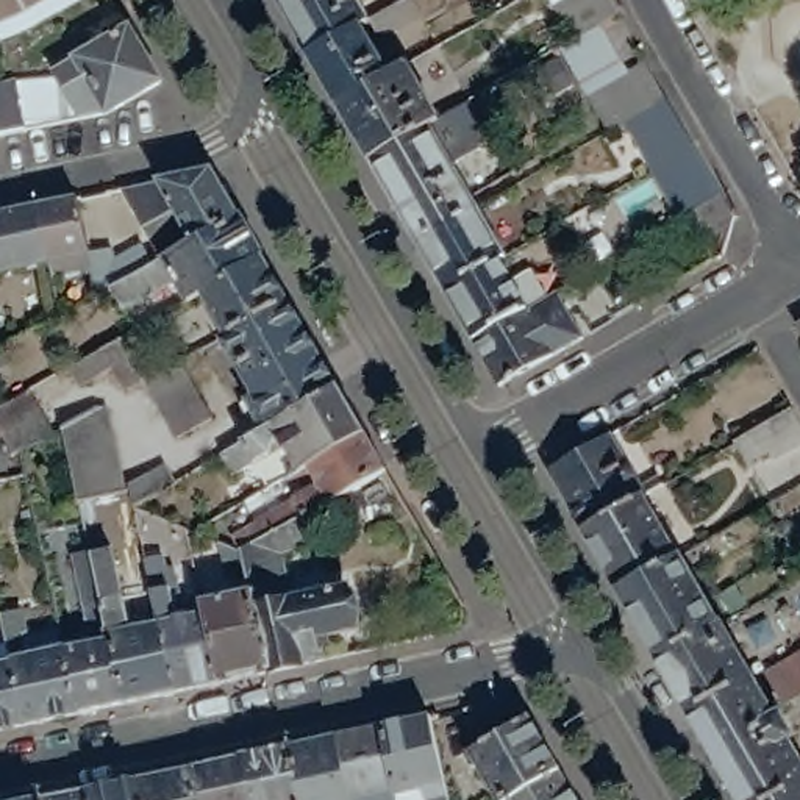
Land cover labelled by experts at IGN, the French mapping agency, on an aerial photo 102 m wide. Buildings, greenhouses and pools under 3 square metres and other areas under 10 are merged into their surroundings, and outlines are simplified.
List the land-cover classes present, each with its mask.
<instances>
[{"label":"impervious surface","instance_id":"1","mask_svg":"<svg viewBox=\"0 0 800 800\"><path fill-rule=\"evenodd\" d=\"M625 9V22L600 19L597 28L609 34L613 47L625 56L628 69L641 63L650 66V78L659 88V100L650 109L638 113L628 122V134H622L619 141H613V153L619 159L616 169L569 172L553 178L544 181V194L550 197L563 188L591 184H606L631 172V159H638V153L647 156L650 181H656L663 197H650L641 209L628 213L622 203L613 200L597 213H575L569 225L547 244L534 241L519 250H506V241L513 238V231L522 228V219L525 209L506 206V197L478 206V216L491 231V247H497V259L516 275L534 272L538 284L547 291L556 278V256H572L584 244H594V253L606 259L613 244L619 250H628L634 247L638 231L669 225V219L681 209H694L709 197H722L725 209L738 216L731 250L722 247L716 256H706L700 266L678 275L681 288L669 294V300L644 297L638 303H628L625 297H613L619 291V275H613L606 288H594L588 297L572 294L563 300L578 331L544 353L547 366L513 381L509 388H500V378L484 369L488 356H469V350L463 347L456 331L459 313L453 306L450 288L441 284V272L434 269L425 278L413 275V281L400 291L388 288L378 278V259L384 253L400 250L413 259L416 241L391 216V197L375 175V159H369L359 147L353 150V181L334 191L328 184H316L313 166L300 141L288 134V128L275 119L272 100L266 94L272 72L247 56L244 44L250 31L266 25L275 28L284 47V66L291 72L303 69L309 88L322 97V128L331 138L350 134L338 103L322 91V81L309 59L306 38H291L294 28L281 16V9L275 6L272 13H266L263 0H125V16L134 19L144 38L150 34V22L156 16L169 9L181 16L188 28L184 56H153L150 78H163V88L150 94L147 109L125 106L122 113L100 122L53 125L44 134L0 141V206L28 200L31 191L75 194V206L84 216V228L94 234V241H88L91 250L125 253L134 247L138 238L153 241L159 250H166L175 241H181L178 222H166L150 238L122 188L150 181L166 169L200 166L206 163V156H213L244 203L241 231L263 241L269 250L288 228L313 244V263L306 269H281L291 297L303 306L306 316L313 313L309 294L331 281V275L341 278L350 316H338V325L331 328H325L322 322L313 325L325 341V353L334 363V372L341 375L344 388L366 413V425L378 422L384 400H400L413 413V428L394 441L397 459L381 466V478L388 494L406 491L419 513L431 509V522L438 525L450 513L472 522V538L456 550L441 556L450 578V591L456 594L466 616L463 634H422L409 641L369 647V656L316 666L297 675L272 678L269 691H263L256 678L231 688H203L175 700L109 709L100 719L84 722L81 731L47 728L38 741L31 734H19L6 744V750H0V797L69 788L78 784L81 769L97 766H106L109 775H131L159 766H181L225 750L275 744L281 738H303L316 731L384 722L403 713H425L428 744L441 747L447 800H497V791L481 781L475 763L463 750L478 734L509 722L528 706L516 691L519 684L541 672L566 675V709L556 719H541V728L547 734L544 766H556L559 775H569V794L575 800H681L659 788V769L653 753L666 747L681 753L684 763H691L700 772V784L684 800H725L722 788L709 772L706 750L697 741H688L684 734L691 728V713H684L681 703H672V694L659 669H641V659H634L638 675L625 678L622 684L606 681L594 666V644L606 641L613 631L622 628V616L609 613L606 622L588 631H575L563 622L569 591L588 584L594 588L597 572L584 559V547L591 538L578 534L575 513L563 488L550 478L547 466L575 450L578 444L597 441L603 434L616 438V447L628 456L634 472H656V488H650V500L659 506V513L669 519L675 531L678 553L672 559L684 563L688 569L694 563L691 550L700 547L694 528H706L728 516L744 494H763L772 506L775 500L800 488V444H791L766 463L747 466L744 450L734 444L716 463L697 469L694 478H709L722 503L709 516L694 522H688L678 509L675 494L666 484L663 463L650 456L641 444L628 441L622 431L625 425H631V419L650 413L653 403L663 406V400L681 397V378L700 372L719 356L738 350L741 344H753V350H769L781 375L778 394L788 400V406H800V0H784L778 16H756L747 22L744 31H731L716 28L703 13L688 16L684 0H613ZM194 69H209L222 81L219 106L200 113L184 109L181 78ZM428 303H434V313L444 319L441 344H422L416 338L419 309H425ZM453 363H472V369L481 372V394H472L466 403H450L444 391H438V369H450ZM419 453L434 456L441 466L438 488L428 497L409 484L403 469V459H413ZM513 469H528L534 478H541L544 513L538 519L503 516L506 506L500 500L497 478L509 475ZM559 528L572 541L575 563L572 569L550 575L538 559V538H547ZM491 566L506 578V606H491L478 594V572H488ZM581 728L597 741V750L584 766L569 763L563 756L566 738L578 734ZM472 19H463L425 38L403 47L400 59H416L419 84L428 100H438V113L469 106L475 103V97L466 84L503 47L500 38L484 41V53L469 59L441 50L438 44L466 31ZM466 172L456 178L469 191L497 169V156H491L484 147H475L459 156ZM38 306L34 269L16 263L0 266V325ZM178 331L191 344V353L216 341H225L228 331L213 328V316L206 313V306L181 313ZM203 394L209 400L213 419L194 425L188 438H181L169 431L166 419L159 416L147 391H122L109 372H100L94 384H75L72 378L59 375H53L34 388V397L50 416L53 431H59L69 419L106 400L119 444V459L125 466V481L156 472L163 463L172 469V481L194 475L206 463L222 456L250 428H256L247 416L250 400H244V384L231 391L222 378L209 381ZM247 481H263V491L241 503L250 516L238 525H228L225 531L219 534V544L244 547L284 522H297L300 506H306L319 494L313 481L300 491L288 484L306 475V466L300 463L284 469L281 447L272 453H259L241 472ZM150 500V494L131 503L119 494L78 500L81 513L69 519V525L47 528L44 534V553H56L59 581L72 588L66 553L109 547L116 559L113 569L119 578H125V591L131 597L128 616L150 619L153 606L141 597L144 581L138 575V556H156L163 550L166 556H172V575L184 581L172 594L169 609H194L200 594H216L222 588L241 584V566L216 556L219 544L191 547L188 528L147 513L144 506ZM719 606L728 613L731 622V631L738 634L744 628H756L781 616V609L769 600L750 606L741 584H734L725 594H719Z\"/></svg>","mask_w":800,"mask_h":800},{"label":"building","instance_id":"2","mask_svg":"<svg viewBox=\"0 0 800 800\"><path fill-rule=\"evenodd\" d=\"M78 0H0V38L22 34L38 22L75 6ZM266 13H272L275 6L281 9V16L294 28L291 38H306L309 59L322 81V91L338 103L350 134L359 147L369 159H375V175L391 197V216L416 241L413 259V275L425 278L434 269L441 272V284L450 288L453 306L459 313L456 331L463 347L469 350V356H488L484 369L500 378V388H509L513 381L547 366L544 353L578 331L563 300L550 297L547 291L538 284L534 272L516 275L497 259V247H491V231L478 216V206L469 197V191L456 178L466 172L459 156L475 147H484L481 131L475 128L469 106L438 113V100H428L419 84L416 59H400L403 47L425 38V19L416 16L419 0H263ZM550 6L563 16H569L581 34L578 44L569 47L566 56H550L541 69L547 78H553V88L544 94V103L553 109L566 94H584L594 103L597 125H619L622 134H628V122L638 113L650 109L659 100V88L650 78V66L641 63L628 69L625 56L613 47L609 34L597 28L600 19L625 22V9L613 0H550ZM50 78L9 81L0 75V141L44 134L53 125L100 122L122 113L125 106L147 109L150 94L163 88V78H150L153 56L144 38L134 19L125 16L116 28L97 31L75 50H69L63 59H53ZM150 238L166 222H178L181 241H175L166 250H159L153 241L138 238L134 247L125 253L91 250L88 241H94V234L84 228V216L75 206V194L31 191L28 200L0 206V266L16 263L34 269L47 266L50 272H63V278H81V291L97 294V300L100 306L128 303L131 309L159 303L175 294L181 297V313L206 306V313L213 316V328L228 331L225 341H216L191 353L178 369L144 381L134 372L122 341H116L84 356L78 363H66L59 375L72 378L75 384H94L100 372H109L122 391H147L159 416L166 419L169 431L181 438H188L194 425L213 419L209 400L203 394L209 381L222 378L231 391L244 384V400H250L247 416L256 428H250L222 456L225 466L241 472L259 453H272L281 447L284 469L300 463L306 466V475L288 484L300 491L313 481L319 494L306 506H300L297 522H284L244 547L219 544L216 556L241 566V584L222 588L216 594H200L194 609H169L172 594L184 581L172 575V556H166L163 550L156 556H138V575L144 581L141 597L153 606L150 619L128 616L131 597L125 591V578H119L113 569L116 559L109 547L66 553L72 588L66 594V606L72 613L38 619L34 606L16 603V609H0V750H6V744L19 734H31L38 741L47 728L81 731L84 722L100 719L109 709L175 700L203 688H231L256 678L263 691H269L272 678L297 675L316 666L313 653L319 647L338 644V638H363L366 616L359 581L347 584L341 572L325 584L253 597L250 572L256 566L281 575L291 563L288 550L300 541V528H306L328 503L347 506L353 500L350 494L381 478V466L397 459L394 441H381L378 422L366 425V413L344 388L341 375L334 372V363L325 353V341L313 325L306 316L303 306L291 297L281 269L275 266L269 250L263 241L241 231L244 203L213 156H206V163L200 166L166 169L150 181L122 188ZM697 222L722 238V247L731 250L738 216L725 209L722 197H709L694 209ZM53 431L50 416L34 397V388L25 397L0 403V469H9L16 463L22 444H31L34 438ZM66 438L63 450L72 478V500H78L119 494L131 503L150 494L166 491L172 481V469L163 463L156 472L125 481V466L119 459V444L106 400L69 419L59 431ZM734 444L744 450L747 466L766 463L791 444H800V406H788L784 413L741 434ZM550 478L563 488L575 513L578 534L591 538L584 547V559L597 572L594 588L600 591V600L609 606V613L622 616V628L634 647V659H641V669H659L672 694V703H681L684 713H691V728L684 734L688 741H697L706 750L709 772L722 788L725 800H800V653L778 666H763L759 675L753 672V656L744 650L738 634L731 631V622L725 625L716 613L706 609V581L688 569L684 563L672 559L678 553L675 531L669 519L659 513V506L650 500V488H656V472H634L628 456L616 447V438L603 434L597 441L578 444L575 450L547 466ZM541 719L528 706L509 722L478 734L463 750L475 763L481 781L497 791V800H575L569 794V775H559L556 766H544L547 734L541 728ZM0 800H447L441 747L428 744L425 713H403L384 722L316 731L303 738H281L275 744L225 750L181 766H159L131 775H109L106 766H97L81 769L78 784L69 788L0 797Z\"/></svg>","mask_w":800,"mask_h":800},{"label":"deciduous trees","instance_id":"3","mask_svg":"<svg viewBox=\"0 0 800 800\"><path fill-rule=\"evenodd\" d=\"M784 0H684L688 16L703 13L716 28L731 31H744L747 22L756 16H778ZM153 56H184L188 28L181 16L169 9L156 16L150 22V34L144 38ZM547 31L559 47H569L578 44L581 34L569 16H563L559 25H550ZM247 56L272 72L266 94L272 100L275 119L288 128V134L300 141L313 166L316 184H328L334 191L353 181V150L359 147L350 134L331 138L322 128V97L309 88L303 69L291 72L284 66V47L275 28L266 25L250 31L244 44ZM184 109L200 113L219 106L222 81L209 69H194L181 78ZM553 88V78H547L541 69L538 78L509 81L503 88L500 109L484 122L481 131L484 147L491 156H497V169H525V125L519 122L525 119V113H534L541 166L553 178L569 172L575 150L600 138L613 141H619L622 134L619 125H584L581 106H572L569 116H559L553 109L544 103V94ZM613 200V197L606 184H591L575 203H550L547 213H534L531 222L522 219V228L513 231V238L506 241V250H519L534 241L547 244L569 225L575 213H597ZM722 247V238L697 222L694 209H681L669 219V225L638 231L634 247L628 250H619L613 244L606 259L594 253V244H584L572 256H556V278L547 291L550 297L563 300L572 294L588 297L594 288H606L613 275H619V291L613 297H625L628 303H638L644 297L669 300V294L681 288L678 275L700 266L706 256H716ZM275 266L281 269H306L313 263V244L288 228L269 250ZM378 278L388 288L400 291L413 281V259L400 250L384 253L378 259ZM313 313L306 316L313 325L322 322L325 328H331L338 325V316H350L341 278L331 275V281L309 294ZM41 319L31 328L41 341L50 334H63V325L75 319V313L66 294L53 297L50 306H38ZM181 313V297L175 294L159 303L131 309L125 319L109 325L116 341H122L134 372L144 381L178 369L191 353V344L178 331ZM416 338L422 344H441L444 319L434 313V303H428L425 309H419ZM84 356L81 344L66 341L44 359V366L53 375H59L66 363H78ZM438 391H444L450 403H466L472 394H481V372L472 369V363H453L450 369H438ZM381 441H394L413 428V413L400 400H384L378 422ZM34 466H47L50 503L63 506L72 500V478L63 450L34 453ZM403 469L409 484L428 497L438 488L441 466L434 456L419 453L413 459H403ZM500 500L506 506L503 516L538 519L544 513L541 478H534L528 469H513L509 475L497 478ZM209 497L194 500L191 516L188 528L191 547L219 544V534L225 531L216 528V522L206 513ZM359 534H369L372 544H397L400 550L409 547L406 525L400 519H394L391 513H378L375 519H359V506L353 500L347 506L328 503L306 528H300V541L288 550L291 563L316 556L341 559ZM438 525L444 528L447 544L456 550L472 538V522L450 513ZM19 550H13L9 544L0 547V563L6 569H19L25 563L34 569L44 553V534H38V528L28 519H16ZM538 559L550 575L572 569L575 563L572 541L559 528L547 538H538ZM778 569L775 541L753 538V556L731 572L734 584H741L756 572ZM466 616L456 594L450 591V578L441 556H422L406 569H391L388 594L366 616L363 638L369 647L409 641L422 634H463ZM478 594L491 606H506V578L491 566L488 572H478ZM609 613V606L600 600V591L594 588L588 584L569 591L563 622L575 631H588L606 622ZM594 666L606 681L622 684L625 678L638 675L634 659V647L622 628L613 631L606 641L594 644ZM516 691L528 706L541 719H556L566 709V675L541 672L519 684ZM597 750V741L581 728L578 734L566 738L563 756L569 763L584 766ZM659 769V788L681 800H684L700 784V772L691 763H684L681 753L666 747L653 753Z\"/></svg>","mask_w":800,"mask_h":800},{"label":"herbaceous vegetation","instance_id":"4","mask_svg":"<svg viewBox=\"0 0 800 800\"><path fill-rule=\"evenodd\" d=\"M125 16V0H78L75 6L38 22L22 34L0 38V75L9 81L50 78L53 59H63L69 50H75L97 31L116 28ZM416 16L425 19V38L463 19H472L466 31L438 44L441 50L469 59L484 53V41L500 38L503 47L466 84L475 97V103L469 106L475 128L481 131L484 122L500 109L503 88L509 81L538 78L541 69L550 56H566L569 47H559L547 31L550 25H559L563 16L550 6V0H419ZM572 106H581L584 125H597L594 103L584 94H566L553 109L559 116H569ZM525 125V169H497L469 191V197L478 206L506 197V206L525 209L522 219L531 222L534 213H547L550 203H575L591 184L563 188L550 197L544 194V181L553 178L541 166L534 113H525V119L519 122ZM619 159L613 153V141L600 138L575 150L569 172L616 169ZM131 309L128 303L100 306L97 300L75 313V319L63 325V334H50L41 341L31 328L0 344V403L25 397L34 388L53 375L44 366V359L66 341L81 344L84 356L116 341L109 325L125 319ZM781 375L769 350H753L741 366H731L716 381L713 397L703 406L691 409L678 431L656 428L641 444L650 456L656 450H675L684 459L688 450L709 444L713 431L734 428L741 434L784 413L788 406V400L778 394ZM263 491V481H247L241 472L225 466L222 456L206 463L194 475L172 481L166 491L150 494V500L172 503L191 516L194 500L209 497L206 513L216 522V528L225 531L228 525H238L250 516L241 503ZM16 475H22V466L16 463L9 469H0V547L9 544L13 550H19L16 519ZM353 500L359 506V519H375L378 513H391L394 519H400L406 525L409 547L400 550L397 544H372L369 534H359L341 559L316 556L291 563L281 575L256 566L250 572L253 597L325 584L341 572L347 584L359 581L366 616L388 594L391 569H406L422 556H441L456 550L447 544L444 528L438 525L431 522V509L419 513L406 491L388 494L381 478L350 494ZM700 547L691 550L694 563L688 569L706 581V609L716 613L725 625L731 622L728 613L719 606V594H725L734 584L731 572L753 556V538L775 541L778 569L756 572L741 584L750 606L769 600L781 609V616L756 628H744L738 634L744 650L753 656V672L759 675L763 666H778L800 653V488L775 500L772 506L763 494H744L728 516L706 528H694ZM16 603L34 606V569L25 563L19 569H6L0 563V609H16ZM369 656V647L363 638H338V644L319 647L313 653L316 666Z\"/></svg>","mask_w":800,"mask_h":800},{"label":"brushwood","instance_id":"5","mask_svg":"<svg viewBox=\"0 0 800 800\"><path fill-rule=\"evenodd\" d=\"M641 181H650L647 156L638 153V159H631V172L606 184L613 197ZM66 294L75 313L97 300V294L81 291V278H63V272H50L47 266L34 269L38 306H50L53 297ZM41 319L38 306L0 325V344L31 328ZM753 350V344H741L738 350L719 356L700 372L681 378V397L663 400V406L653 403L650 413L631 419V425H625L622 431L628 441L641 444L656 428L678 431L691 409L703 406L713 397L716 381L731 366H741ZM741 434L734 428L713 431L709 444L688 450L684 459L675 450H656L650 456L663 463L666 484L675 494L678 509L688 522H694L709 516L722 503L709 478H694L697 469L716 463L734 444ZM66 438L59 431H53L34 438L31 444H22L16 463L22 466V475H16V519H28L38 528V534H44L47 528L69 525V519L81 513L78 500H72L63 506L50 503L47 466H34V453L63 450ZM147 513L188 528L191 516L172 503L150 500L144 506ZM72 588L59 581L56 553H44L34 569V606L38 619L72 613L66 606V594Z\"/></svg>","mask_w":800,"mask_h":800},{"label":"swimming pool","instance_id":"6","mask_svg":"<svg viewBox=\"0 0 800 800\"><path fill-rule=\"evenodd\" d=\"M650 197H663L656 181H641L613 197V200L622 203L628 213L641 209Z\"/></svg>","mask_w":800,"mask_h":800}]
</instances>
